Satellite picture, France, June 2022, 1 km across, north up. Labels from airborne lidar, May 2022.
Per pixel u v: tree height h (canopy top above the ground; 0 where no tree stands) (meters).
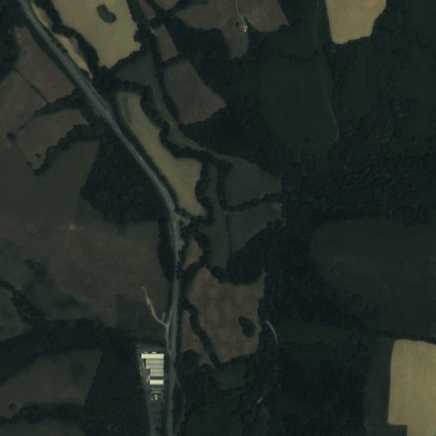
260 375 9
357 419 10
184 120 0
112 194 13
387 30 6
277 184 0
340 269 0
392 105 18
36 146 0
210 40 27
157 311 0
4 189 0
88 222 0
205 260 16
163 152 0
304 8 0
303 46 0
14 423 9
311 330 0
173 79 0
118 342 11
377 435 0
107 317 0
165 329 0
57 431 0
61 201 0
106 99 10
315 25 0
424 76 0
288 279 19
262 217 0
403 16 15
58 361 0
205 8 0
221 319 0
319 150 0
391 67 7
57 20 14
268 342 16
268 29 0
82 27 0
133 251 0
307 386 18
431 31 0
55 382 0
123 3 0
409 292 0
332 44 15
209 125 20
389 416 0
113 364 10
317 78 0
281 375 22
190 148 9
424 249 0
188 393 17
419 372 0
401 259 0
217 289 0
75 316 0
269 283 23
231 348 0
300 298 14
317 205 23
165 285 0
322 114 0
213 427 0
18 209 0
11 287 8
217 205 0
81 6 0
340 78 10
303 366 17
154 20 12
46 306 0
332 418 16
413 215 19
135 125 0
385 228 0
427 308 0
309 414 20
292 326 0
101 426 14
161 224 13
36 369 0
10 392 0
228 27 0
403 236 0
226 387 0
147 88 10
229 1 0
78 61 0
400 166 19
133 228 0
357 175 20
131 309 0
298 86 0
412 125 0
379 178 17
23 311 9
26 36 0
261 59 17
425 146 0
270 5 0
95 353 0
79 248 0
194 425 0
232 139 17
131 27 0
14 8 22
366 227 0
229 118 22
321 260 0
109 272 0
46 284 0
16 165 0
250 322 20
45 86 0
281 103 0
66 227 0
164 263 19
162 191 0
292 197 19
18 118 0
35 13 0
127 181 13
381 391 0
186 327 0
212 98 0
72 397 0
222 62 23
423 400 0
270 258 22
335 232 0
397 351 0
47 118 0
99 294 0
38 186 0
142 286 0
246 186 0
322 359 16
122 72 0
